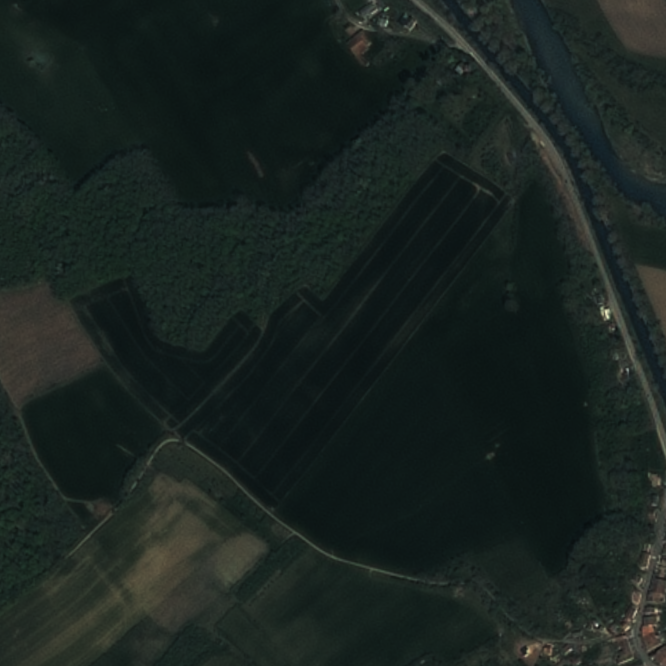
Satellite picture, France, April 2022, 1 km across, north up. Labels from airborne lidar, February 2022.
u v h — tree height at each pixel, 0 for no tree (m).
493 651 12
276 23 0
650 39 0
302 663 0
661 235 0
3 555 21
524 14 0
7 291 17
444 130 17
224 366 0
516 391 0
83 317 0
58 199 26
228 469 0
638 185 0
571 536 0
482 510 0
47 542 19
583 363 0
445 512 0
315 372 0
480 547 0
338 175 33
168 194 24
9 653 0
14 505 23
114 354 0
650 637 0
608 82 0
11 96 0
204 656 5
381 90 0
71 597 0
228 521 0
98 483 0
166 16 0
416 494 0
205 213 22
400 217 0
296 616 0
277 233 8
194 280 30
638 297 17
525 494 0
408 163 25
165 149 0
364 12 0
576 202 0
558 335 0
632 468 24
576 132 12
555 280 0
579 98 0
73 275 24
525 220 0
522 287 0
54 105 0
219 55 0
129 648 0
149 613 0
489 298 0
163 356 0
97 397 0
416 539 0
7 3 0
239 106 0
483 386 0
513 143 0
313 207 32
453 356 0
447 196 0
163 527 0
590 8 0
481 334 0
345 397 0
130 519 0
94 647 0
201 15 0
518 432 0
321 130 0
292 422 0
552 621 0
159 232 30
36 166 16
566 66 0
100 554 0
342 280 0
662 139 0
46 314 16
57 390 0
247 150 0
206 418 0
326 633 0
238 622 0
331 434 0
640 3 0
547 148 0
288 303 0
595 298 0
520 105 0
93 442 0
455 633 0
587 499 0
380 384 0
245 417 0
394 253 0
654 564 0
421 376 0
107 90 0
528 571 0
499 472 0
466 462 0
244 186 0
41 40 0
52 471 0
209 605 0
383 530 0
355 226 19
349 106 0
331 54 0
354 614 0
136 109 0
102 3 0
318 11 0
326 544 0
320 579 0
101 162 0
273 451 0
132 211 25
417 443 0
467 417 0
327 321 0
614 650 0
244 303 21
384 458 0
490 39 22
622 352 0
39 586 13
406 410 0
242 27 0
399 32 0
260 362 0
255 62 0
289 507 0
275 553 7
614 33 0
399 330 0
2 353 17
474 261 0
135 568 0
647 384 0
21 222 23
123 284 0
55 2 0
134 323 0
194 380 0
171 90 0
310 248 25
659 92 0
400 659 0
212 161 0
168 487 0
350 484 0
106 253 28
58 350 12
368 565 0
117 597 0
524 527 0
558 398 0
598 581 7
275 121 0
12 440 21
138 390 0
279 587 0
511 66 20
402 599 0
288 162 0
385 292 0
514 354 0
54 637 0
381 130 25
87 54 0
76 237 27
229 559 0
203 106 0
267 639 0
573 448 0
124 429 0
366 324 0
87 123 0
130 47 0
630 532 28
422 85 21
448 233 0
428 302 0
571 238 18
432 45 0
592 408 0
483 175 0
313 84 0
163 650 0
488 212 0
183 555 0
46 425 0
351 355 0
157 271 28
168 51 0
